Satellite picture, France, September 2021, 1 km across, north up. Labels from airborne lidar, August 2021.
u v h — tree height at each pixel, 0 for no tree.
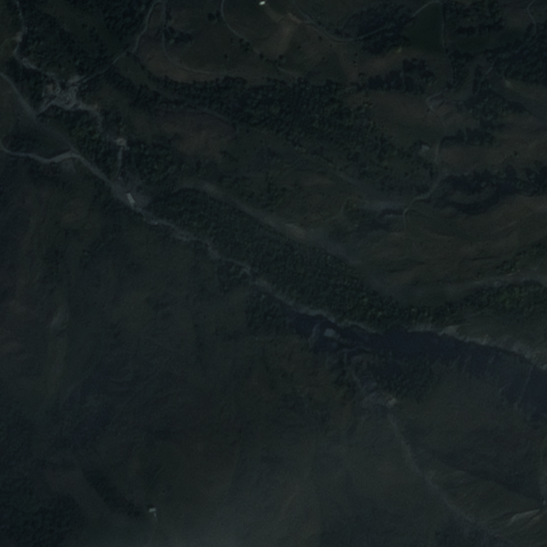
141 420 0
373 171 0
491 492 0
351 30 0
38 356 0
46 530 9
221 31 0
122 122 8
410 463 0
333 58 0
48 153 0
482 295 9
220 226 10
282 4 0
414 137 0
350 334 0
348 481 0
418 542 0
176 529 0
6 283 0
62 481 0
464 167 0
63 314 0
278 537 0
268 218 0
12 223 0
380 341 0
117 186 0
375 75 0
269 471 0
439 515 0
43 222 0
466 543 0
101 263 0
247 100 13
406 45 10
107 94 0
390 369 0
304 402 0
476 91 9
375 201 0
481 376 0
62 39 8
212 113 0
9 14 0
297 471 0
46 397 0
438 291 0
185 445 0
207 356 0
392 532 0
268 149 0
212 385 0
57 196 0
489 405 0
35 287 0
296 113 7
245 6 0
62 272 0
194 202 10
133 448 0
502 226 0
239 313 0
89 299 0
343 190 0
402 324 7
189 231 8
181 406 0
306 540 0
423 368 15
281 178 0
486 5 9
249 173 0
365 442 0
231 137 0
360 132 8
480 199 0
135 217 8
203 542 0
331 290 8
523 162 0
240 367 0
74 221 0
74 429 0
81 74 8
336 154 0
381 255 0
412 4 0
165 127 0
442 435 0
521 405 0
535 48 9
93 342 0
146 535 0
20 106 0
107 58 7
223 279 0
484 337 0
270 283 13
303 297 17
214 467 0
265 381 0
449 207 0
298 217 0
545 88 11
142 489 0
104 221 0
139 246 0
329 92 16
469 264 0
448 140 8
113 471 0
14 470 6
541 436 0
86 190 0
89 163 0
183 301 0
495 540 0
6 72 0
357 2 0
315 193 0
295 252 16
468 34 11
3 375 0
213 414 0
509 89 0
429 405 0
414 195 0
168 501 0
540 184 13
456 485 0
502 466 0
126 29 11
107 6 10
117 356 0
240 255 15
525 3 0
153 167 9
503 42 0
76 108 0
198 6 0
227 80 10
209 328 0
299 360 0
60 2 0
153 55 0
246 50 8
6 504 9
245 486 0
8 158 0
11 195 0
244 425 0
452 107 0
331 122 10
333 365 0
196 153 0
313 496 0
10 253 0
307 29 0
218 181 7
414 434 0
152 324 0
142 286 0
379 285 0
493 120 9
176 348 0
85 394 0
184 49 0
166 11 0
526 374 0
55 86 7
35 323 0
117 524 0
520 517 0
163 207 10
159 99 14
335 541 0
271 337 0
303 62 0
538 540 0
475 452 0
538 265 0
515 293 10
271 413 0
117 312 0
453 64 11
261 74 0
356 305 7
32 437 0
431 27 0
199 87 7
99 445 0
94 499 0
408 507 0
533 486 0
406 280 0
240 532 0
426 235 0
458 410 0
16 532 10
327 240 0
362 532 0
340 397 0
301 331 0
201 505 0
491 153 0
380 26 9
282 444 0
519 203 0
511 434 0
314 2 0
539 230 0
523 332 0
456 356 0
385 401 0
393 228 0
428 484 0
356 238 0
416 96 6
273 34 0
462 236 0
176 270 0
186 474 0
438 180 0
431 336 0
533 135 0
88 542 0
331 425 0
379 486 0
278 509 0
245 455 0
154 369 0
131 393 0
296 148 8
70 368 0
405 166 0
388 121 0
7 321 0
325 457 0
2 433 8
